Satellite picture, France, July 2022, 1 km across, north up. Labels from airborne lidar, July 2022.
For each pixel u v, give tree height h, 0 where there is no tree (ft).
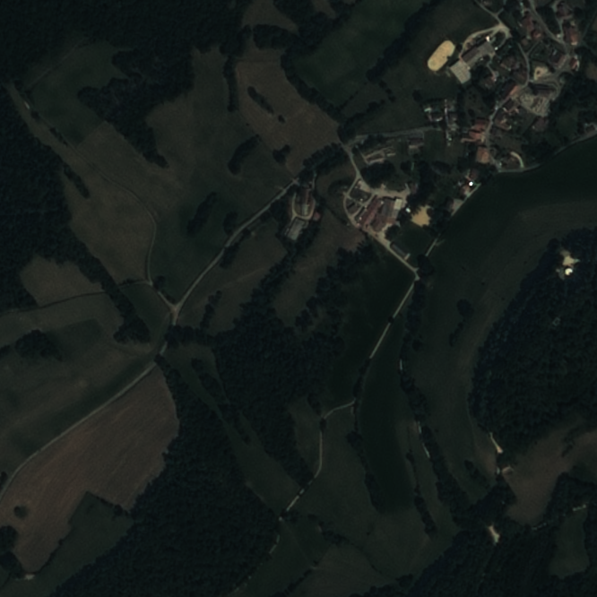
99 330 0
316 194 44
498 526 40
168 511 56
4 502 0
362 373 41
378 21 0
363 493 0
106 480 0
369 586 0
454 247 0
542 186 0
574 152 0
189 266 0
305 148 0
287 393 66
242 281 0
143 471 0
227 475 55
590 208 0
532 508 0
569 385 26
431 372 0
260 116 0
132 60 50
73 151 0
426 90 0
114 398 0
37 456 0
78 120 0
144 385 0
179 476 44
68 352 0
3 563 60
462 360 0
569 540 0
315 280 0
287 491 0
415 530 0
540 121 0
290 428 26
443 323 0
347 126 50
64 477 0
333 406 0
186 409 51
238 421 58
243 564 79
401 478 0
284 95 0
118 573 62
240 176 0
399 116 0
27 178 63
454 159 0
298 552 0
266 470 0
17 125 61
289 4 47
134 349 0
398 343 0
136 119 48
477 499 0
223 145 0
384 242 0
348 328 0
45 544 0
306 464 33
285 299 0
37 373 0
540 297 105
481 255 0
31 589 0
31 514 0
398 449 0
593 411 45
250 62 0
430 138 0
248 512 60
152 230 0
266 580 0
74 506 0
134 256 0
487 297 0
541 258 0
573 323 33
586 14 43
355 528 0
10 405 0
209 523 77
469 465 52
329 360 65
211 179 0
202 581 76
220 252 0
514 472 0
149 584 60
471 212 0
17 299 48
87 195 45
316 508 0
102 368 0
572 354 51
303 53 58
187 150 0
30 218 37
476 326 0
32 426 0
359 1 21
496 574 25
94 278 56
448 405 0
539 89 0
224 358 51
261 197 0
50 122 0
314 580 0
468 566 54
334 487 0
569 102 19
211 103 0
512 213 0
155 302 0
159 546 73
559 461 0
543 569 21
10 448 0
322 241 0
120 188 0
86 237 0
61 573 0
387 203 0
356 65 0
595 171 0
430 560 0
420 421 68
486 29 0
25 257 18
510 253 0
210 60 0
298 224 0
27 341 39
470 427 0
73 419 0
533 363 70
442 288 0
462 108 37
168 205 0
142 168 0
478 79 34
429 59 0
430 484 0
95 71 0
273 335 64
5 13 60
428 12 36
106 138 0
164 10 61
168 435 0
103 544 0
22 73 62
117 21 69
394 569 0
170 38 51
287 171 0
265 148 0
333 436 0
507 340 44
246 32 43
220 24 67
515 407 52
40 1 63
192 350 0
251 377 53
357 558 0
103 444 0
